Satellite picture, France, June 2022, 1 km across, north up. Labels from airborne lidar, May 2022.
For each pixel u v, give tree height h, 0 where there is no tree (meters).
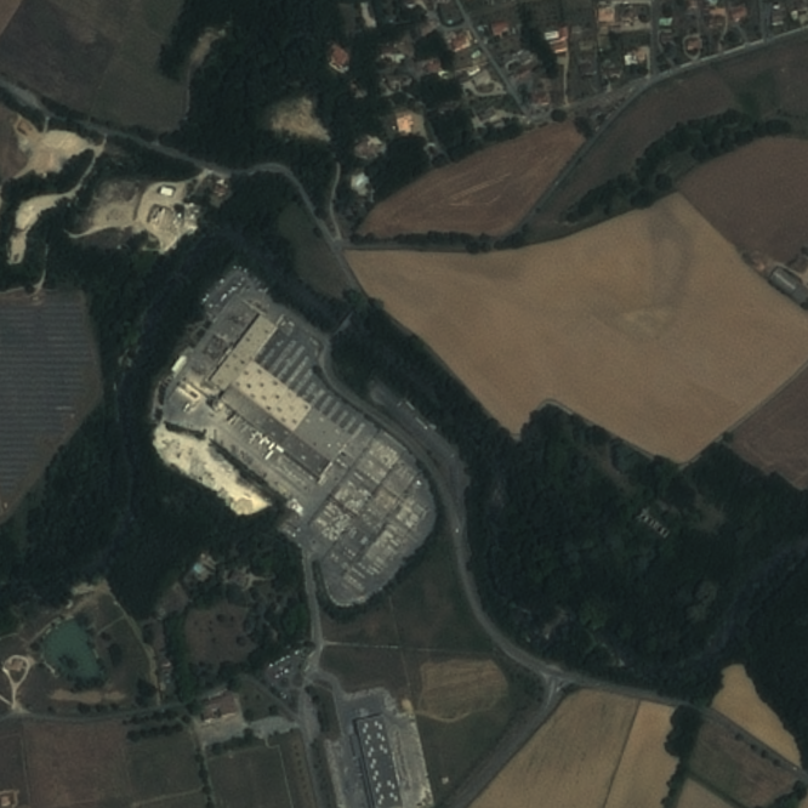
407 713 0
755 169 0
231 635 0
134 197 0
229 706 0
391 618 0
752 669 20
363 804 0
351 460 0
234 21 9
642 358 0
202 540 20
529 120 0
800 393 0
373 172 18
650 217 0
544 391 0
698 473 10
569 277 0
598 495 11
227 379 0
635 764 0
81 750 0
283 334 0
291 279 12
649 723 0
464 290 0
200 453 0
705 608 21
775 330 0
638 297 0
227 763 0
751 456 0
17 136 0
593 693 0
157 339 29
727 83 0
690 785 0
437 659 0
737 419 0
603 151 0
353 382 9
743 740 10
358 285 0
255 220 12
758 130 13
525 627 15
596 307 0
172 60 11
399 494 0
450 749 0
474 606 0
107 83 0
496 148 0
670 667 14
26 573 28
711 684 18
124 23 0
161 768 0
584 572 18
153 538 17
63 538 15
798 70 0
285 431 0
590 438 17
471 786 0
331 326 29
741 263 0
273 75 26
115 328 26
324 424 0
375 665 0
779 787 0
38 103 0
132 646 0
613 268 0
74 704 0
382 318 14
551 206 0
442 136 19
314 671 0
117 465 28
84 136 11
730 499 7
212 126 19
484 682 0
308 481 0
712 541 6
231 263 20
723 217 0
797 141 0
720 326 0
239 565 15
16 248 0
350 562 0
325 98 19
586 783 0
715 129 9
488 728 0
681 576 11
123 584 19
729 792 0
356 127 17
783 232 0
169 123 0
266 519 8
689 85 0
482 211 0
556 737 0
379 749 0
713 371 0
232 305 0
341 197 17
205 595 13
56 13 0
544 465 8
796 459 0
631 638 19
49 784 0
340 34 16
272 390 0
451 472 0
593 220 0
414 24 14
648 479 10
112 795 0
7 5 0
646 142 0
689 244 0
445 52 15
